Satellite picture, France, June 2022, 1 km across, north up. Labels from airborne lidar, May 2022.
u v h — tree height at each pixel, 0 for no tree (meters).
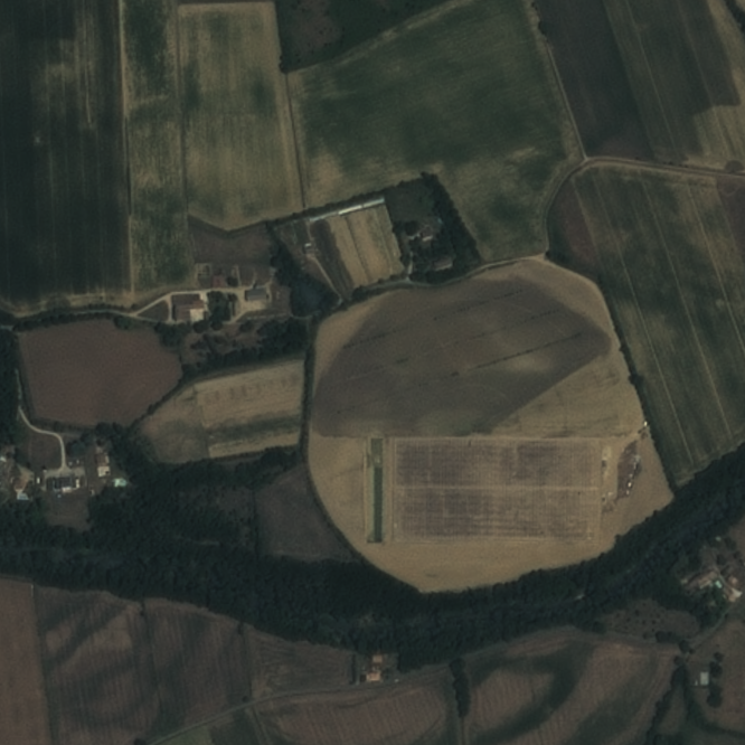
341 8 0
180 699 0
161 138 0
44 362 0
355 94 0
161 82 0
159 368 0
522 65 0
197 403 0
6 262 0
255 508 8
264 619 15
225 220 0
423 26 0
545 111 0
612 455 0
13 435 19
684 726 0
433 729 0
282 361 0
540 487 0
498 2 0
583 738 0
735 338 0
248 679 0
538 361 0
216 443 0
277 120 0
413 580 0
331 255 0
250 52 0
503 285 0
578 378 0
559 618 19
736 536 0
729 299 0
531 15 0
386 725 0
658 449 6
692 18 0
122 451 18
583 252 0
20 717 0
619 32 0
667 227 0
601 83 0
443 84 0
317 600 27
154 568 19
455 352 0
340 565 12
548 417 0
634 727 0
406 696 0
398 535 0
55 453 0
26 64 0
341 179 0
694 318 0
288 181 0
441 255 7
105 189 0
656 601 9
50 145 0
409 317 0
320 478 0
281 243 6
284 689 0
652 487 0
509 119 0
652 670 0
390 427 0
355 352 0
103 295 0
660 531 15
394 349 0
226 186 0
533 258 0
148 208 0
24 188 0
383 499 0
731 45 0
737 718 0
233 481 17
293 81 0
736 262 0
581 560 0
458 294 0
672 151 0
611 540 0
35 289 0
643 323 0
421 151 0
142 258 0
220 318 6
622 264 0
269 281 0
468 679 12
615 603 22
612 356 0
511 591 15
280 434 0
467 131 0
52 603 0
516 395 0
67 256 0
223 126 0
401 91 0
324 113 0
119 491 15
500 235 0
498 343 0
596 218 0
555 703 0
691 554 14
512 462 0
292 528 0
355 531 0
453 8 0
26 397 8
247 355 22
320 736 0
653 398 0
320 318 10
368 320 0
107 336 0
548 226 0
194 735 0
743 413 0
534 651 0
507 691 0
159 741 0
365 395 0
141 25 0
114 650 0
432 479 0
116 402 0
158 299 0
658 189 0
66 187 0
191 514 14
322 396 0
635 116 0
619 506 0
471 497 0
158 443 0
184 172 0
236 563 26
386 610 18
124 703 0
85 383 0
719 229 0
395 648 10
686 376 0
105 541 15
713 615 16
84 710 0
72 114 0
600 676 0
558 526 0
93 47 0
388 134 0
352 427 0
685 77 0
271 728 0
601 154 0
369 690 0
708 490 24
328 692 0
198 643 0
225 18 0
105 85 0
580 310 0
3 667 0
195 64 0
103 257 0
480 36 0
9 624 0
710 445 0
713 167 0
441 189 12
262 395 0
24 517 22
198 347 20
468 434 0
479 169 0
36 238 0
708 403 0
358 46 0
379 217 0
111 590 10
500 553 0
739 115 0
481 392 0
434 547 0
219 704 0
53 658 0
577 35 0
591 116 0
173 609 0
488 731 0
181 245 0
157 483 21
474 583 0
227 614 14
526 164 0
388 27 0
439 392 0
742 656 0
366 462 0
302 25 0
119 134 0
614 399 0
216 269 0
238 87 0
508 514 0
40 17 0
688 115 0
